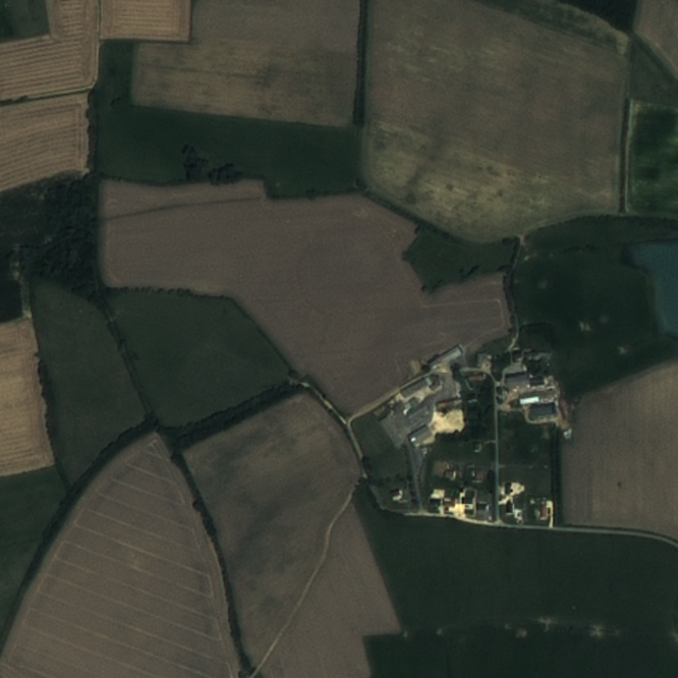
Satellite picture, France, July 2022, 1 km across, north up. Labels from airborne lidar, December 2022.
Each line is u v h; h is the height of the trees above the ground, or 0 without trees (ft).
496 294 0
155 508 0
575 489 0
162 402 0
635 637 0
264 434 0
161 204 0
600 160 0
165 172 0
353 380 0
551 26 0
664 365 0
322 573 0
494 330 0
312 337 0
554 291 0
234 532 0
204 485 0
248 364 0
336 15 0
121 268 0
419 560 0
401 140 0
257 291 0
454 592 0
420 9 0
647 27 0
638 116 0
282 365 0
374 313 0
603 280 0
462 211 0
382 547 0
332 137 0
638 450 0
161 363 0
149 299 0
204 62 0
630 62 0
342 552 0
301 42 0
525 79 0
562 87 0
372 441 0
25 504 0
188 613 0
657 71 0
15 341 0
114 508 0
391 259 0
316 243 0
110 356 0
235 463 0
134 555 0
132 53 0
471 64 0
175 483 0
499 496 0
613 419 0
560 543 0
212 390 0
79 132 0
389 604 0
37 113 0
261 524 0
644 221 18
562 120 0
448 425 0
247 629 0
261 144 0
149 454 0
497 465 0
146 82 0
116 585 0
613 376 0
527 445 0
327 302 0
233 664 0
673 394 0
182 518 0
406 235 0
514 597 0
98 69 0
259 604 0
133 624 0
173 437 39
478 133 0
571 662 0
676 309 0
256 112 0
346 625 0
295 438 0
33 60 0
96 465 26
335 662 0
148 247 0
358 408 0
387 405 0
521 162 0
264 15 0
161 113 0
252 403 33
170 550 0
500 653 0
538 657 0
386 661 0
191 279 0
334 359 0
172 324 0
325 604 0
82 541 0
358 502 0
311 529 0
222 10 0
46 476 0
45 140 0
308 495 0
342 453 0
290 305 0
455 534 0
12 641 0
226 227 0
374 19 0
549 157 0
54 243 27
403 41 0
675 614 0
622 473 0
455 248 0
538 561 0
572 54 0
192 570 0
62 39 0
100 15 0
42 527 0
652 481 0
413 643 0
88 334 0
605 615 0
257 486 0
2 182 0
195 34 0
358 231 0
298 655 0
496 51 0
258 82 0
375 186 0
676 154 0
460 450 0
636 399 0
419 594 0
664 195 0
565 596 0
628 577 0
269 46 0
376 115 0
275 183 0
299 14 0
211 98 0
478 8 0
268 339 0
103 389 0
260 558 0
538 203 0
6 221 0
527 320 0
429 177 0
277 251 0
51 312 0
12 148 0
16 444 0
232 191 0
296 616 0
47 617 0
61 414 0
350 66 0
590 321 0
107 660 0
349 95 0
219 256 0
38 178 0
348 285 0
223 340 0
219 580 0
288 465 0
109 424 0
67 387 0
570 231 0
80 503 0
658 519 0
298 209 0
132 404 0
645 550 0
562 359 0
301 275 0
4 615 0
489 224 0
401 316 0
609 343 0
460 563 0
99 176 47
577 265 0
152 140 0
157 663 0
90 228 21
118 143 0
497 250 0
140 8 0
